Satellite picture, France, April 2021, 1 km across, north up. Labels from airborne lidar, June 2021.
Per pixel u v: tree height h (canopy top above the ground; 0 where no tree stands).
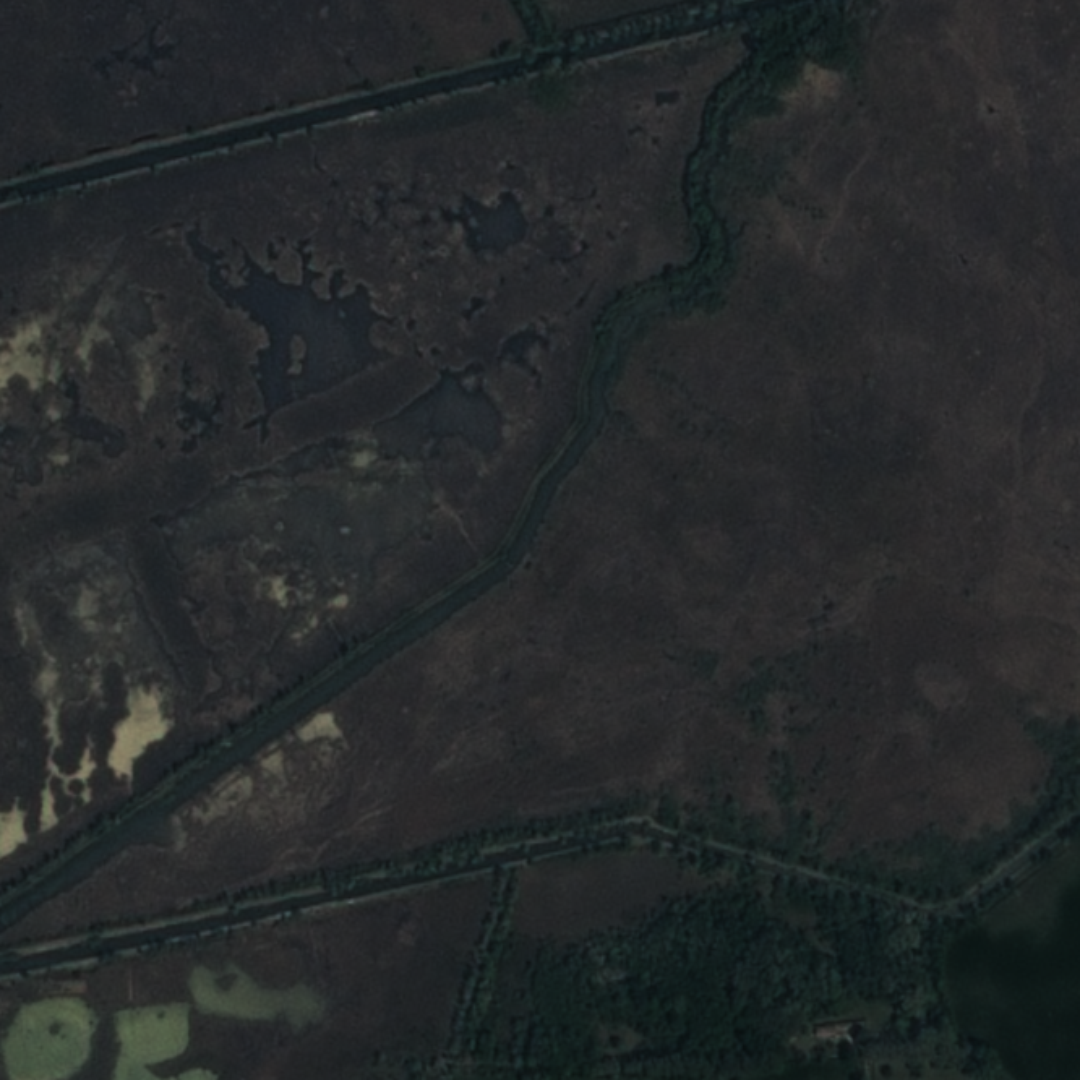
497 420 0
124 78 0
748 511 0
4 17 0
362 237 0
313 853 0
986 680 0
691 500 0
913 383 0
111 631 0
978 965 0
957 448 0
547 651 0
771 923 16
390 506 0
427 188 0
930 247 0
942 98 0
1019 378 0
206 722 0
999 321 0
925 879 6
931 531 0
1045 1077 0
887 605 0
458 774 0
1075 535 0
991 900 7
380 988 0
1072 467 0
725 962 23
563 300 0
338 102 0
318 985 0
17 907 0
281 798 0
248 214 0
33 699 0
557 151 0
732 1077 26
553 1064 18
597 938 8
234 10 0
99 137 0
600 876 0
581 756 0
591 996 6
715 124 8
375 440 0
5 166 0
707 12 11
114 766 0
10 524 0
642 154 0
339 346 0
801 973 26
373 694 0
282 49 0
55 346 0
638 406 0
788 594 0
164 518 0
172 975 0
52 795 0
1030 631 0
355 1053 0
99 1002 0
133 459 0
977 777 0
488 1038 14
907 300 0
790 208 8
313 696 0
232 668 0
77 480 0
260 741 0
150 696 0
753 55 8
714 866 9
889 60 0
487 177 0
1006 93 0
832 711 7
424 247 0
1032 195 0
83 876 0
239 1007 0
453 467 0
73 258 0
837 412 0
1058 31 0
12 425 0
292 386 0
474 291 0
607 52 0
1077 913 0
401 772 0
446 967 0
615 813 10
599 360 0
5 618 0
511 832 10
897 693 0
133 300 0
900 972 29
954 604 0
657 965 16
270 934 0
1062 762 10
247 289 0
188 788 0
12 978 0
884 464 0
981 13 0
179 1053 0
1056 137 0
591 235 0
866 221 0
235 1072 0
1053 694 0
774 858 10
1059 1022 0
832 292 0
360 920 0
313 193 0
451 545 0
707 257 8
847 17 10
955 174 0
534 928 0
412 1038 0
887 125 0
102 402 0
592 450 0
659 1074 24
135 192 0
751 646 0
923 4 0
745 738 0
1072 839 14
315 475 0
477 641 0
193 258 0
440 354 0
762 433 0
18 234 0
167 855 0
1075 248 0
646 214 0
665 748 0
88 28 0
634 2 0
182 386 0
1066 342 0
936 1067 17
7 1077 0
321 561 0
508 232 0
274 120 0
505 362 0
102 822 10
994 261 0
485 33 0
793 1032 19
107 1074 0
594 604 0
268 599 0
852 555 0
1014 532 0
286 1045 0
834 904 11
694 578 0
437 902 0
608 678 0
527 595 0
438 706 0
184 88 0
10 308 0
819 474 0
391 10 0
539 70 7
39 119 0
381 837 0
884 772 0
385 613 0
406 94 0
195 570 0
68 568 0
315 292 0
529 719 0
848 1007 20
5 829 0
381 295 0
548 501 0
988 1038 0
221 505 0
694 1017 19
